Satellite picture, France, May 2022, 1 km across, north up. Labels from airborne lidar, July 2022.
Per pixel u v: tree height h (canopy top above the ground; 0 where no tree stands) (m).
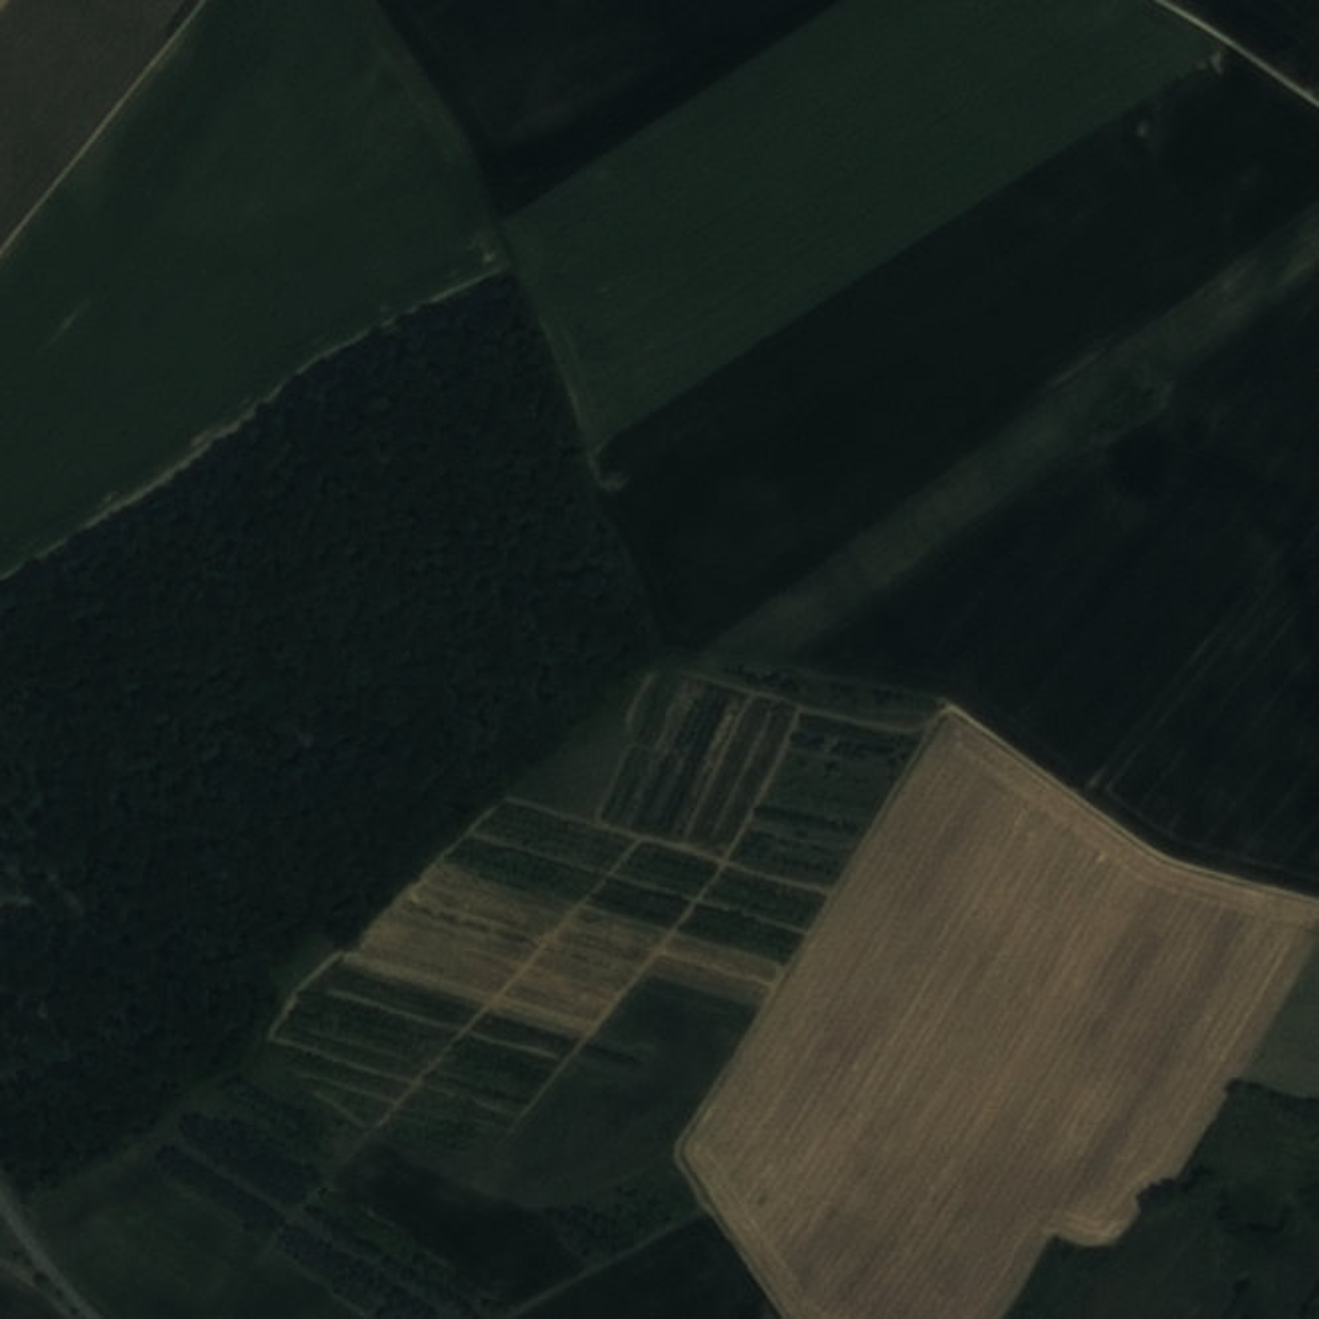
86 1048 25
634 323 0
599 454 0
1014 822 0
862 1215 0
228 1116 9
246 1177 9
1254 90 0
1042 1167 0
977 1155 0
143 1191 0
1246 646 0
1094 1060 0
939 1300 0
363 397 29
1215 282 0
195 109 0
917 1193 0
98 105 0
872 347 0
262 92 0
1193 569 0
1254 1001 0
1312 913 0
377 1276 7
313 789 32
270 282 0
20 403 0
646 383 0
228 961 27
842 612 0
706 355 0
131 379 0
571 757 0
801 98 0
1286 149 0
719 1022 0
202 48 0
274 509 30
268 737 24
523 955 0
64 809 29
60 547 0
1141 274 0
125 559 24
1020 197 0
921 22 0
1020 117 0
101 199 0
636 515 0
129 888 28
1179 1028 0
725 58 0
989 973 0
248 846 29
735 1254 0
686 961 0
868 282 0
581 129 0
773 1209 0
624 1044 0
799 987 0
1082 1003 0
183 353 0
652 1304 0
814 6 0
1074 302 0
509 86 0
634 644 21
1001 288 0
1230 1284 0
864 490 0
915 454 0
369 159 0
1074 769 0
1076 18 0
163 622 23
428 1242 0
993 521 0
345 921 22
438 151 0
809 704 0
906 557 0
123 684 26
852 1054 0
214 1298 0
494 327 29
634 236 0
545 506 19
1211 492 0
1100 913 0
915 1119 0
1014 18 0
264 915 26
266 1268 0
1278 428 0
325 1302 0
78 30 0
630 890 6
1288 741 0
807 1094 0
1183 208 0
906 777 0
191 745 26
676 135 0
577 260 0
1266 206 0
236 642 24
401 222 0
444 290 0
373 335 0
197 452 0
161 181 0
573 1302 0
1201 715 0
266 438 22
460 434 28
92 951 31
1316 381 0
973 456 0
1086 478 0
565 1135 0
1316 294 0
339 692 24
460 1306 7
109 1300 0
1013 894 0
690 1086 0
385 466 28
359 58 0
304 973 0
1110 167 0
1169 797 0
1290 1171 0
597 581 24
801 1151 0
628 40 0
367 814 26
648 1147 0
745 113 0
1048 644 0
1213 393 0
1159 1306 0
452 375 29
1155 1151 0
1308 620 0
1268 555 0
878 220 0
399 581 26
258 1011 24
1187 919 0
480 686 26
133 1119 24
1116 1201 0
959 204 0
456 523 26
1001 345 0
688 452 0
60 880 24
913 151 0
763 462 0
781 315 0
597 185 0
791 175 0
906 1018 0
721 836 0
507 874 6
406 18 0
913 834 0
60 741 28
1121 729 0
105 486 0
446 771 30
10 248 0
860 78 0
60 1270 0
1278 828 0
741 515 0
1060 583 0
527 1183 0
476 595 27
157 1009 27
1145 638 0
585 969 0
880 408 0
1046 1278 0
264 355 0
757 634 0
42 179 0
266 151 0
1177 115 0
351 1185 0
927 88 0
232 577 29
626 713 0
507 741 27
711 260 0
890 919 0
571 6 0
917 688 0
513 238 0
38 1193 13
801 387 0
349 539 25
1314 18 0
